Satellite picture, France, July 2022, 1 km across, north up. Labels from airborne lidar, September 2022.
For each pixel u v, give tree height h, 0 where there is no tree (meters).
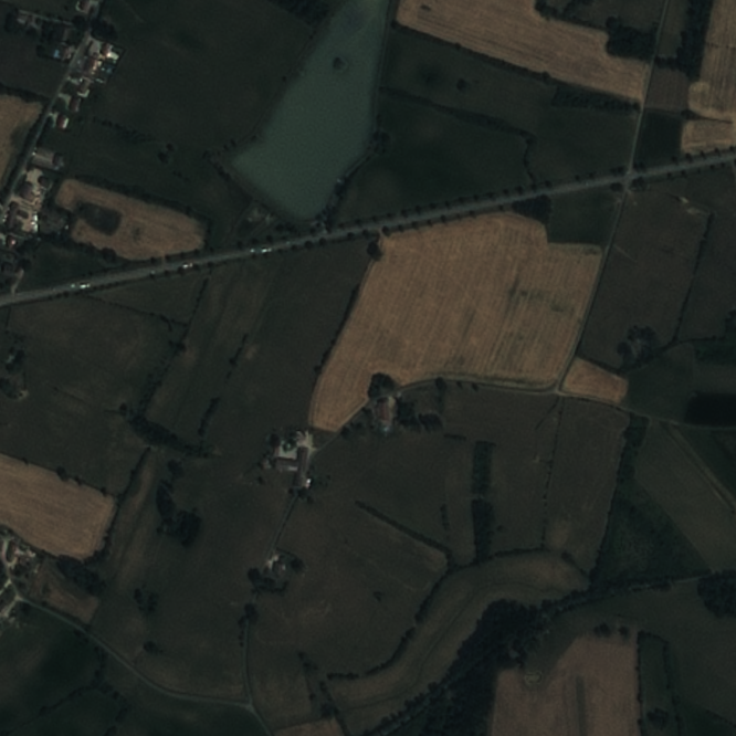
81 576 28
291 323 0
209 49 0
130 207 0
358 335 0
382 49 0
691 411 0
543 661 0
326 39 0
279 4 6
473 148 0
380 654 0
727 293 0
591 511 0
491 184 0
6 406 0
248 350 0
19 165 6
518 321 0
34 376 0
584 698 0
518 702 0
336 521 0
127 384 0
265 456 7
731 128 0
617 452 0
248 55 0
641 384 0
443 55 0
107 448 0
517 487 0
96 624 0
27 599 0
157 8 0
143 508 0
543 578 0
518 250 0
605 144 0
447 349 0
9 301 0
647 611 0
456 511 0
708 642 0
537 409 0
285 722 0
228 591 0
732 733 0
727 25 0
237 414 0
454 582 0
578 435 0
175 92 0
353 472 0
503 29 0
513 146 0
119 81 0
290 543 0
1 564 15
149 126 0
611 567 0
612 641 0
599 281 0
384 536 0
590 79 0
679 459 0
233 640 0
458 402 0
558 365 0
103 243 0
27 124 0
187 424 0
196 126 0
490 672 17
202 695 0
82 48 0
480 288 0
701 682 0
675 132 0
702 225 0
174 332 0
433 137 0
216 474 0
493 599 0
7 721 0
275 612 0
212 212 0
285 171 0
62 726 0
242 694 0
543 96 0
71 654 0
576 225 0
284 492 0
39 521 0
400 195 0
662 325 0
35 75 0
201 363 0
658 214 0
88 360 0
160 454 0
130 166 0
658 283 0
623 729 0
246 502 0
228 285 0
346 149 0
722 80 0
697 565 0
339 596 0
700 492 0
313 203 0
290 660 0
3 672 0
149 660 0
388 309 0
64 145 0
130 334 0
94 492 0
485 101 0
